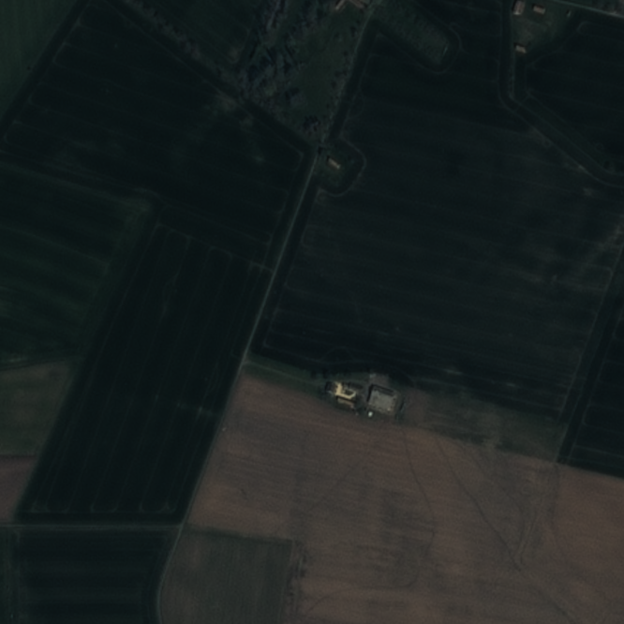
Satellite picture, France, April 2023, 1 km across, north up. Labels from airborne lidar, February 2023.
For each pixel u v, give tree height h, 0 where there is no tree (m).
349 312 0
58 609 0
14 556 0
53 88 0
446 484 0
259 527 0
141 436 0
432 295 0
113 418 0
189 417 0
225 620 0
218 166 0
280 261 0
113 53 0
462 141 0
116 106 0
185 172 0
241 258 0
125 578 0
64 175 0
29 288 0
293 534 0
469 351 0
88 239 0
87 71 0
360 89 0
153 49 0
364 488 0
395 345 0
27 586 0
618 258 0
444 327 0
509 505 0
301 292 0
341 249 0
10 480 0
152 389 0
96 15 0
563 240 0
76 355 0
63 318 0
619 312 0
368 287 0
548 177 0
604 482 0
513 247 0
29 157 0
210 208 0
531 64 0
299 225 0
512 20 0
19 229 0
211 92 0
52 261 0
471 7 0
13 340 0
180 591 0
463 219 0
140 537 0
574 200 0
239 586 0
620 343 0
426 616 0
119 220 0
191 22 0
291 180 0
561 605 0
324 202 0
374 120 0
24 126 0
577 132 0
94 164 0
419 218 0
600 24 0
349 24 0
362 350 0
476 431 0
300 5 0
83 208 0
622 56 0
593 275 0
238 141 0
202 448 0
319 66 0
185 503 0
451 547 0
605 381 0
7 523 0
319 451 0
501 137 0
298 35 19
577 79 0
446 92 0
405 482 0
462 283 0
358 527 0
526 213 0
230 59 0
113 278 0
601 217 0
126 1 20
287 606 0
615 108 0
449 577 0
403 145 0
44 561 0
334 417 0
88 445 0
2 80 0
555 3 0
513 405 0
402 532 0
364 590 0
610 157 0
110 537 0
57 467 0
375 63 0
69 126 0
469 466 0
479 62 0
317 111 0
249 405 0
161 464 0
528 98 0
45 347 0
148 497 0
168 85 0
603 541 0
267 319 0
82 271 0
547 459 0
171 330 0
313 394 0
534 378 0
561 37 0
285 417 0
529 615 0
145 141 0
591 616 0
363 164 0
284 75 12
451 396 0
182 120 0
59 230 0
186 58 0
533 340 0
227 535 0
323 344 0
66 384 0
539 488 0
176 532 0
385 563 0
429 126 0
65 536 0
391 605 0
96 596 0
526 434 0
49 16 0
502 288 0
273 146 0
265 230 0
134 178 0
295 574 0
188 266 0
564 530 0
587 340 0
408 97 0
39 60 0
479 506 0
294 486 0
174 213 0
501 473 0
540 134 0
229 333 0
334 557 0
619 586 0
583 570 0
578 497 0
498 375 0
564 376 0
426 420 0
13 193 0
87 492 0
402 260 0
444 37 10
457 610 0
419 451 0
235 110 0
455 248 0
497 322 0
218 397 0
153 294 0
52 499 0
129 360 0
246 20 0
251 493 0
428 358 0
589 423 0
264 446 0
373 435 0
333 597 0
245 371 0
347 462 0
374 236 0
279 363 0
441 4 0
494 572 0
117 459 0
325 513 0
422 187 0
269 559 0
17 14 0
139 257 0
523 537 0
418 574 0
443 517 0
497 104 0
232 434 0
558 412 0
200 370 0
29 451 0
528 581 0
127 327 0
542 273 0
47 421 0
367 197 0
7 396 0
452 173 0
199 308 0
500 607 0
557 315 0
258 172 0
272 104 24
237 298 0
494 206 0
